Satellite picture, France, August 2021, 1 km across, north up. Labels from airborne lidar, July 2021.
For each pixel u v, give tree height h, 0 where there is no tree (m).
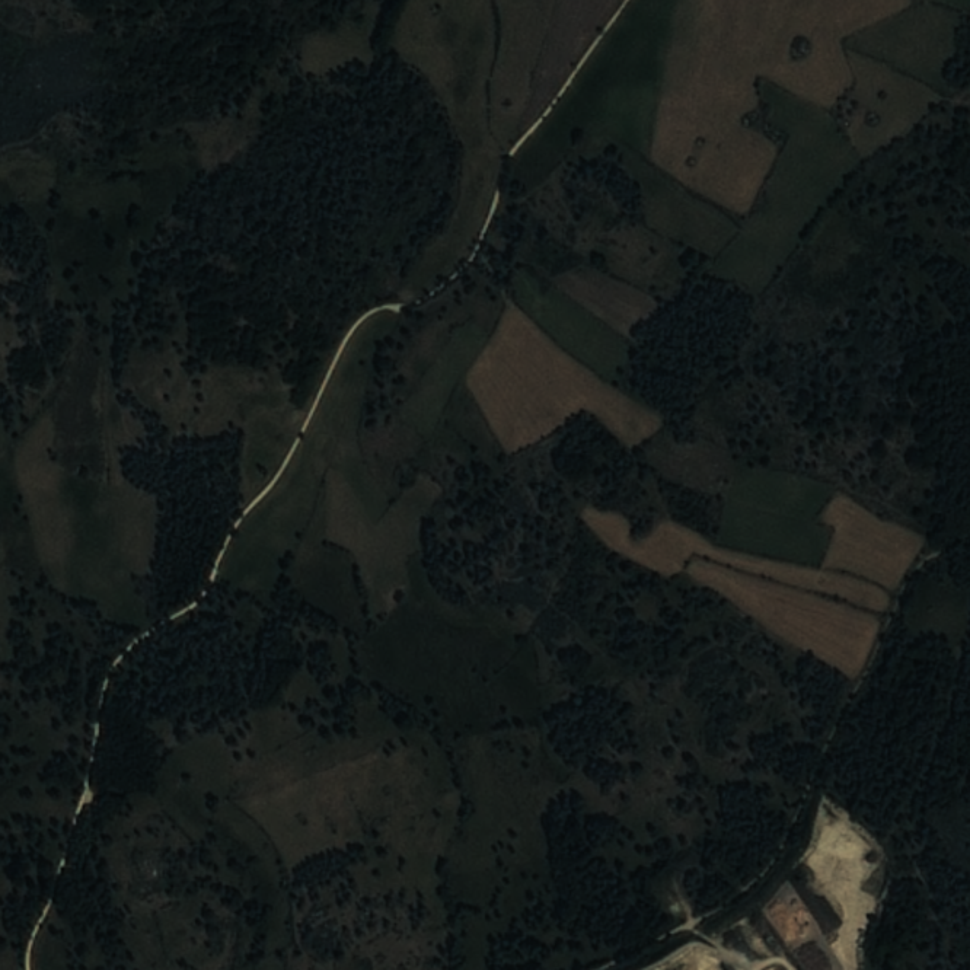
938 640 15
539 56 0
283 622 13
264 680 16
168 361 0
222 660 12
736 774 0
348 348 0
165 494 8
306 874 13
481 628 0
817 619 0
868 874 0
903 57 0
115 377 15
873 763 17
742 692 7
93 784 12
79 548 0
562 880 14
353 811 0
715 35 0
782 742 14
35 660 20
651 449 10
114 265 0
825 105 0
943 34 0
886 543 0
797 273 0
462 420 0
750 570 0
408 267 14
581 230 0
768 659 9
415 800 0
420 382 0
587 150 0
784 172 0
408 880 0
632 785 0
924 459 12
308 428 0
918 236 8
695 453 0
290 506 0
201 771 0
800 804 7
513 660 0
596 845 21
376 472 0
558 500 7
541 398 0
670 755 13
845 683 13
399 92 14
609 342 0
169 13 6
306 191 12
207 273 12
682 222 0
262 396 0
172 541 17
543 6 0
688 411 10
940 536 16
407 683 0
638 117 0
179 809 0
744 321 12
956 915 15
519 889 0
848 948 0
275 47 13
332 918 0
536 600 0
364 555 0
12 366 8
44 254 10
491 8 0
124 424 0
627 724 11
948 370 17
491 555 15
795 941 0
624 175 12
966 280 18
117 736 14
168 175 0
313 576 0
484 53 0
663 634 14
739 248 0
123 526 0
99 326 12
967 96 0
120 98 12
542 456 0
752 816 18
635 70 0
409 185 13
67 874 13
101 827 10
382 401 9
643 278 0
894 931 9
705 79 0
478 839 0
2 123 0
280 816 0
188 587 16
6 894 0
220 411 0
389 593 0
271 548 0
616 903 20
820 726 14
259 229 15
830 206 10
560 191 0
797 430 11
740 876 11
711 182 0
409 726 22
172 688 13
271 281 6
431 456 0
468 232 0
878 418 8
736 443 8
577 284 0
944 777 12
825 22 0
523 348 0
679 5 0
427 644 0
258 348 7
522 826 0
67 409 0
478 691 0
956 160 17
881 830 17
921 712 7
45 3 0
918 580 11
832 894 0
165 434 13
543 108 0
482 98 0
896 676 16
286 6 11
